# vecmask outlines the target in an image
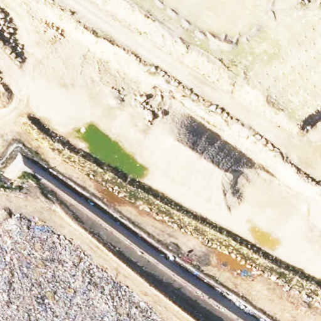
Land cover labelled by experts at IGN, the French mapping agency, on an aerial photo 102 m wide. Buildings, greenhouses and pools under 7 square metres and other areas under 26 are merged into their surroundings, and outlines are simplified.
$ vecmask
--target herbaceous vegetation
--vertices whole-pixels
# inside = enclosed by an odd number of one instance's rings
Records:
[[[257,271],[270,272],[277,278],[282,278],[287,285],[296,277],[275,263],[272,263],[271,267],[265,266],[251,258],[250,265]]]
[[[114,174],[110,179],[104,178],[100,181],[105,189],[114,193],[114,187],[118,187],[118,192],[124,193],[124,199],[137,199],[157,214],[173,218],[174,208],[138,188],[129,186]]]

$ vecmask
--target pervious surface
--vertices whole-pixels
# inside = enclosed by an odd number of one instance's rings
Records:
[[[208,129],[221,135],[228,143],[255,160],[255,167],[243,168],[242,176],[238,179],[238,188],[241,192],[236,196],[232,196],[231,173],[221,171],[201,154],[177,142],[178,128],[188,115],[192,115],[199,123],[206,125]],[[143,182],[127,176],[127,173],[120,171],[118,167],[102,162],[88,153],[88,144],[84,143],[83,139],[89,123],[97,125],[110,138],[117,140],[139,163],[148,168]],[[201,277],[237,306],[253,313],[261,321],[321,321],[321,0],[0,0],[0,321],[196,321],[100,245],[97,239],[85,232],[59,204],[46,201],[33,179],[10,179],[3,176],[5,169],[20,154],[21,157],[29,155],[30,158],[38,160],[55,176],[92,199],[158,250],[166,253],[169,260],[181,263],[194,275]],[[124,193],[118,192],[118,187],[114,187],[114,193],[105,189],[100,181],[104,178],[110,179],[114,174],[129,186],[138,188],[174,208],[173,218],[157,214],[137,199],[124,199]],[[251,258],[265,266],[271,267],[272,263],[275,263],[296,277],[287,285],[282,278],[277,278],[270,272],[257,271],[250,265]]]

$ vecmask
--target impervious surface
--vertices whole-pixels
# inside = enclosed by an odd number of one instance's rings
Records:
[[[10,179],[33,179],[46,201],[59,204],[85,232],[97,239],[100,245],[196,321],[261,321],[253,313],[237,306],[201,277],[194,275],[181,263],[169,260],[166,253],[158,250],[92,199],[55,176],[38,160],[30,158],[29,155],[21,157],[20,154],[5,169],[3,176]]]

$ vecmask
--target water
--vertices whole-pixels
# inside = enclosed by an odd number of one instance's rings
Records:
[[[177,142],[201,154],[221,171],[231,173],[232,196],[236,196],[241,192],[238,188],[238,179],[242,176],[243,168],[255,167],[255,160],[228,143],[221,135],[208,129],[206,125],[199,123],[192,115],[188,115],[178,128]]]
[[[83,139],[84,143],[88,144],[88,153],[102,162],[118,167],[120,171],[127,173],[127,176],[143,182],[148,168],[139,163],[117,140],[110,138],[97,125],[89,123]]]

